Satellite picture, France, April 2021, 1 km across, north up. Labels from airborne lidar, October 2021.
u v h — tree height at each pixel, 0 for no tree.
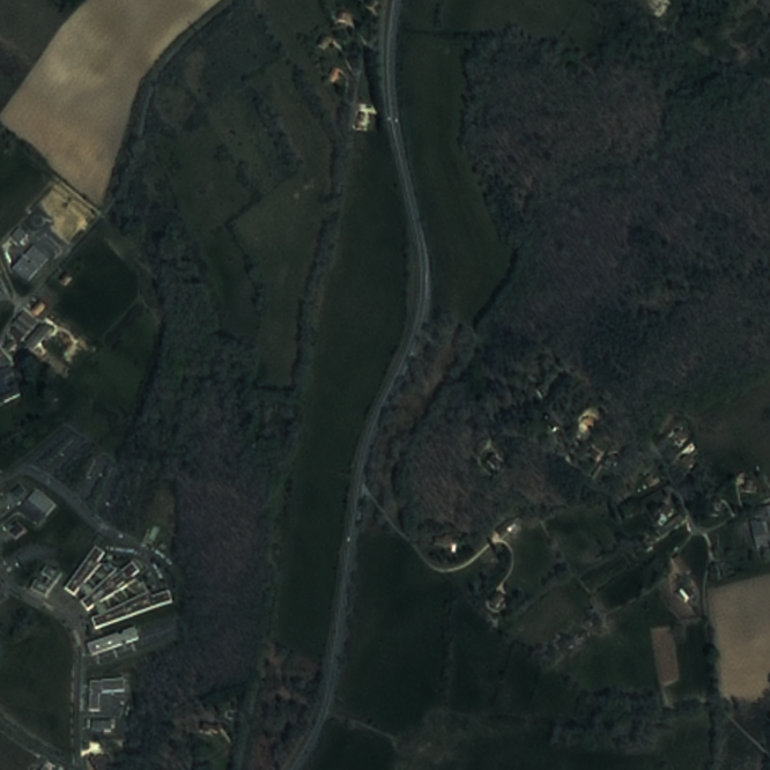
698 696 0
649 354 18
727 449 0
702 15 19
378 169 0
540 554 0
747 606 0
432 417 19
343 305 0
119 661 0
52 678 0
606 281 17
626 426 20
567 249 15
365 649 0
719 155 20
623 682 0
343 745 0
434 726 0
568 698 0
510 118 14
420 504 23
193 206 0
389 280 0
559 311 15
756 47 8
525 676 0
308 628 0
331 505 0
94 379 0
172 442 20
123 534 18
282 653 19
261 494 22
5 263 0
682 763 0
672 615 0
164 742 21
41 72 0
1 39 0
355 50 13
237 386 12
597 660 0
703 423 0
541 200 16
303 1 0
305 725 18
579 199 18
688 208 21
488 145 18
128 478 17
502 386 14
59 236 0
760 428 0
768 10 0
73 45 0
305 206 0
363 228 0
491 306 12
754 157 19
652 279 19
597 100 16
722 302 15
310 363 11
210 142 0
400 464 14
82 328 0
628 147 14
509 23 0
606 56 15
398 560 0
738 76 16
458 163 0
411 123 0
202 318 23
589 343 19
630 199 20
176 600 8
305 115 0
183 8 0
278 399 20
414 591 0
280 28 0
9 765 0
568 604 0
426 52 0
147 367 0
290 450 20
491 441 18
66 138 0
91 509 11
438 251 0
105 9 0
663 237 16
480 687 0
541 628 0
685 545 0
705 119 21
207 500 16
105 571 0
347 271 0
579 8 0
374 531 0
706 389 19
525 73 17
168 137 0
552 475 20
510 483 22
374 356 0
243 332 0
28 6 0
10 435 7
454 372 18
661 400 27
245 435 18
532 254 18
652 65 16
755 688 0
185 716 21
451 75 0
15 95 0
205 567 17
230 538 15
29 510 0
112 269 0
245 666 16
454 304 0
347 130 22
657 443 15
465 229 0
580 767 0
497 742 0
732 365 17
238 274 0
